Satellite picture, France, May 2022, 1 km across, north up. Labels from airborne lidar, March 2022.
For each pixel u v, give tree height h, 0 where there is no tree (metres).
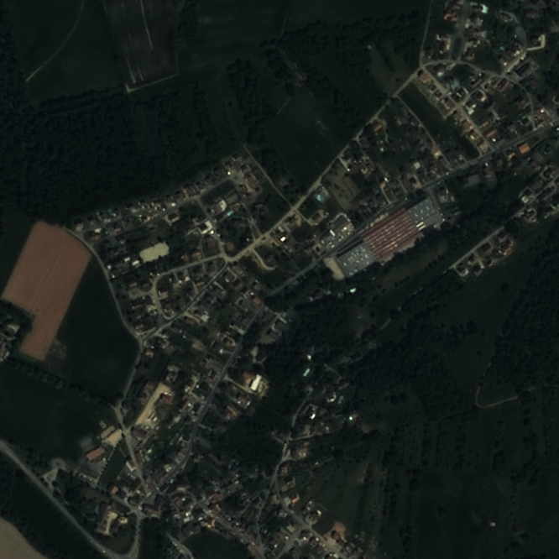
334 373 0
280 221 0
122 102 19
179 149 13
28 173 25
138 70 0
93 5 0
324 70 0
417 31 12
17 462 0
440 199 0
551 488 0
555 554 0
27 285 0
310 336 9
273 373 20
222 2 0
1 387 0
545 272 12
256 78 7
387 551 0
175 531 7
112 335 0
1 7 17
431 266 11
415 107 0
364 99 0
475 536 0
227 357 0
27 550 0
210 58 0
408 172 0
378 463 0
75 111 19
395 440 13
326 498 0
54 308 0
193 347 0
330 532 0
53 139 29
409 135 0
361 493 0
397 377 13
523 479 7
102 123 26
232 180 0
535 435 9
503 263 0
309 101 0
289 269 0
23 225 0
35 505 0
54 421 0
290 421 0
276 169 15
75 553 0
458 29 0
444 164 0
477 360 0
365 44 14
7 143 26
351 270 0
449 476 0
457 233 20
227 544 0
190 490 8
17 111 14
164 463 10
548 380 10
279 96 0
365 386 20
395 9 0
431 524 0
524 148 0
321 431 0
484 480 0
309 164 0
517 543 12
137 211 0
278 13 0
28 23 0
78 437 0
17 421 0
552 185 0
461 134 0
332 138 0
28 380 0
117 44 0
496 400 0
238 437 0
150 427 0
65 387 15
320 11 0
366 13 0
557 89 14
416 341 20
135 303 10
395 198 0
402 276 0
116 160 25
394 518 11
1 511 12
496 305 0
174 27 0
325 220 0
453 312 0
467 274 0
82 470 0
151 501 0
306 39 10
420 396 8
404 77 0
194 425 0
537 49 0
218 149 11
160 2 0
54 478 0
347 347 17
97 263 0
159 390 0
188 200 0
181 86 0
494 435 0
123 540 0
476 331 18
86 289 0
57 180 25
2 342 0
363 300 12
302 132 0
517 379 9
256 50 0
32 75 0
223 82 0
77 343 0
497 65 0
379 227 0
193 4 11
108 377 0
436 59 12
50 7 0
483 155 0
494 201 23
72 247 0
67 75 0
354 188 0
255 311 0
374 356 14
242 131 0
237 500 10
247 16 0
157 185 16
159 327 0
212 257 0
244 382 0
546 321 12
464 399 11
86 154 27
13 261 0
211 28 0
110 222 0
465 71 0
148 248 0
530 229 0
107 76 0
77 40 0
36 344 0
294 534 0
